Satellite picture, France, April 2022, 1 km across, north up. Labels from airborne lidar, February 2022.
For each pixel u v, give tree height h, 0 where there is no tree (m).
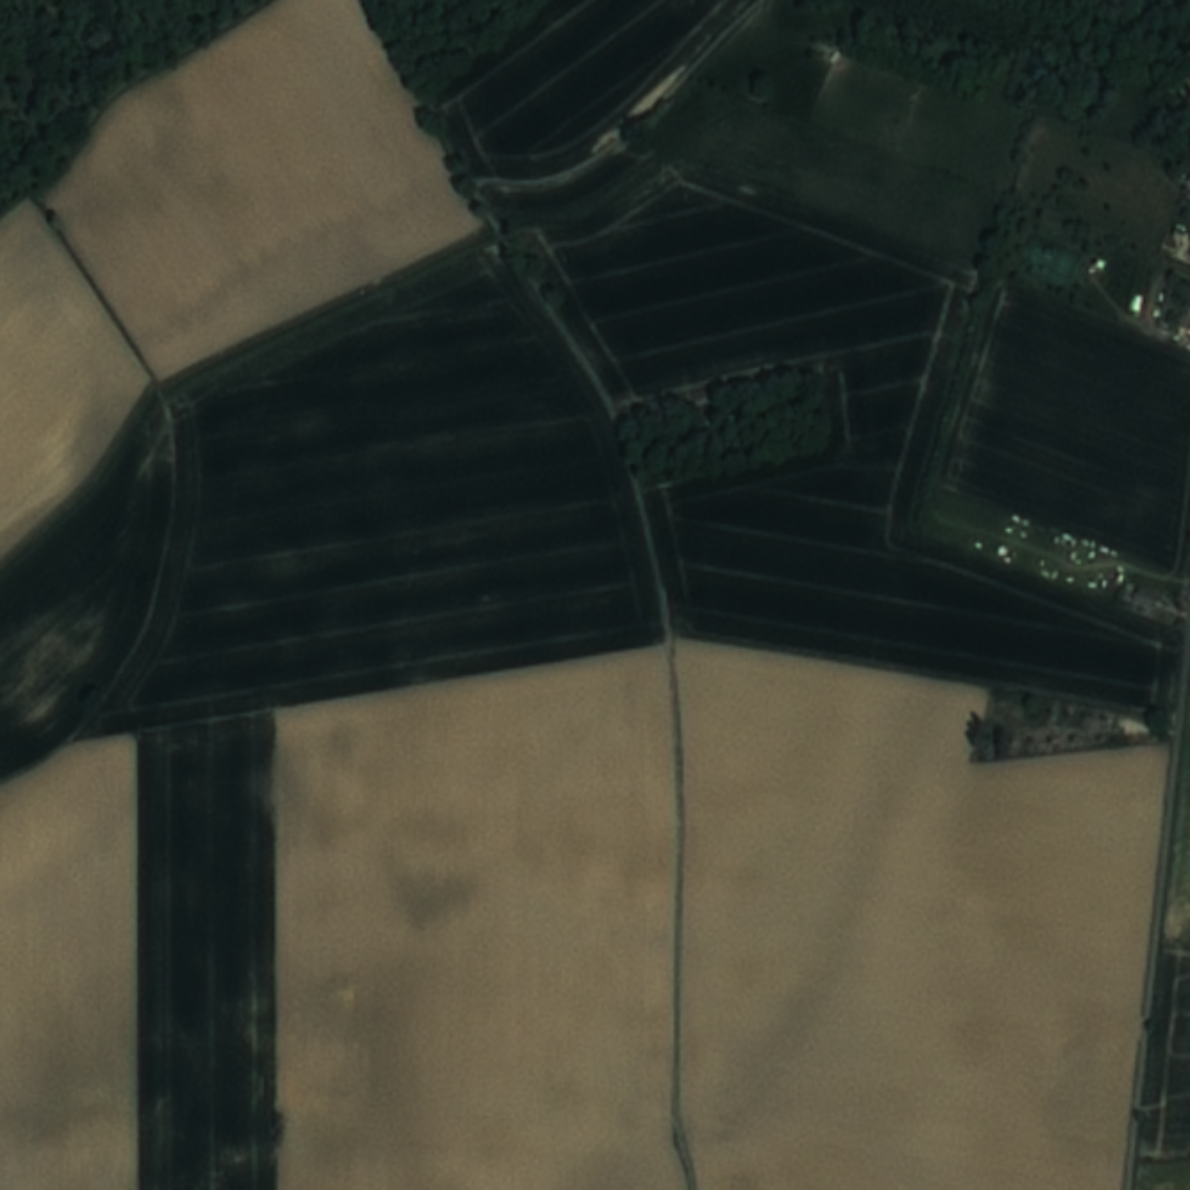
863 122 0
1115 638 0
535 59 0
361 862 0
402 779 0
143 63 24
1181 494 0
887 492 0
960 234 0
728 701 0
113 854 0
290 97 0
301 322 0
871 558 0
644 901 0
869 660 0
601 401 0
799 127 0
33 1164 0
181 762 0
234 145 0
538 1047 0
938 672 0
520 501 0
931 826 0
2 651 0
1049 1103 0
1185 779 0
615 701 0
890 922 0
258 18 0
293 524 0
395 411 0
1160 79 21
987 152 0
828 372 0
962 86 26
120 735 0
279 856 0
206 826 0
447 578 0
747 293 0
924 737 0
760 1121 0
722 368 0
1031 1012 0
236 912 0
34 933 0
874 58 21
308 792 0
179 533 0
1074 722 0
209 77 0
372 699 0
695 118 0
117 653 0
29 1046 0
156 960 0
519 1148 0
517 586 0
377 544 0
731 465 22
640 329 0
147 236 0
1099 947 0
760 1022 0
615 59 0
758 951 0
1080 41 15
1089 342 0
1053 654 0
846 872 0
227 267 0
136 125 0
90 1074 0
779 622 0
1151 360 0
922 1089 0
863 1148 0
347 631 0
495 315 0
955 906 0
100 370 0
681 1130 0
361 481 0
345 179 0
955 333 0
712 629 0
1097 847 0
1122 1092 0
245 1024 0
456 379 0
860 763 0
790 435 23
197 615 0
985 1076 0
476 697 0
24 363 0
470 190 18
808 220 0
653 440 20
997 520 0
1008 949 0
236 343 0
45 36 19
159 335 0
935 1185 0
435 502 0
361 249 0
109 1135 0
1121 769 0
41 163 23
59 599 0
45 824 0
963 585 0
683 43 0
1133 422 0
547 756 0
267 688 0
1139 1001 0
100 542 0
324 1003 0
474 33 13
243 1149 0
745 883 0
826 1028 0
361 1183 0
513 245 16
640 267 0
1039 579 0
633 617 0
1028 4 28
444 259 0
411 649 0
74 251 0
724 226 0
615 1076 0
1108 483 0
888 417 0
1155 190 0
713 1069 0
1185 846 0
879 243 0
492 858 0
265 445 0
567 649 0
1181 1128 0
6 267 0
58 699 0
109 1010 0
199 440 0
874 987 0
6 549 0
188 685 0
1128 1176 0
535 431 0
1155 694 0
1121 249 6
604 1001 0
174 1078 0
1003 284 0
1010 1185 0
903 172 0
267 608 0
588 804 0
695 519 0
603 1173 0
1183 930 0
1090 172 0
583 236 0
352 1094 0
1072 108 16
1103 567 0
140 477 0
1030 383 0
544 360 0
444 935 0
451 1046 0
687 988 0
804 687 0
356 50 0
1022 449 0
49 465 0
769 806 0
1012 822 0
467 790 0
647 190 0
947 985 0
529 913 0
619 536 0
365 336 0
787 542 0
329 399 0
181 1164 0
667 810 0
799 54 0
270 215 0
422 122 16
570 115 0
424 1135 0
